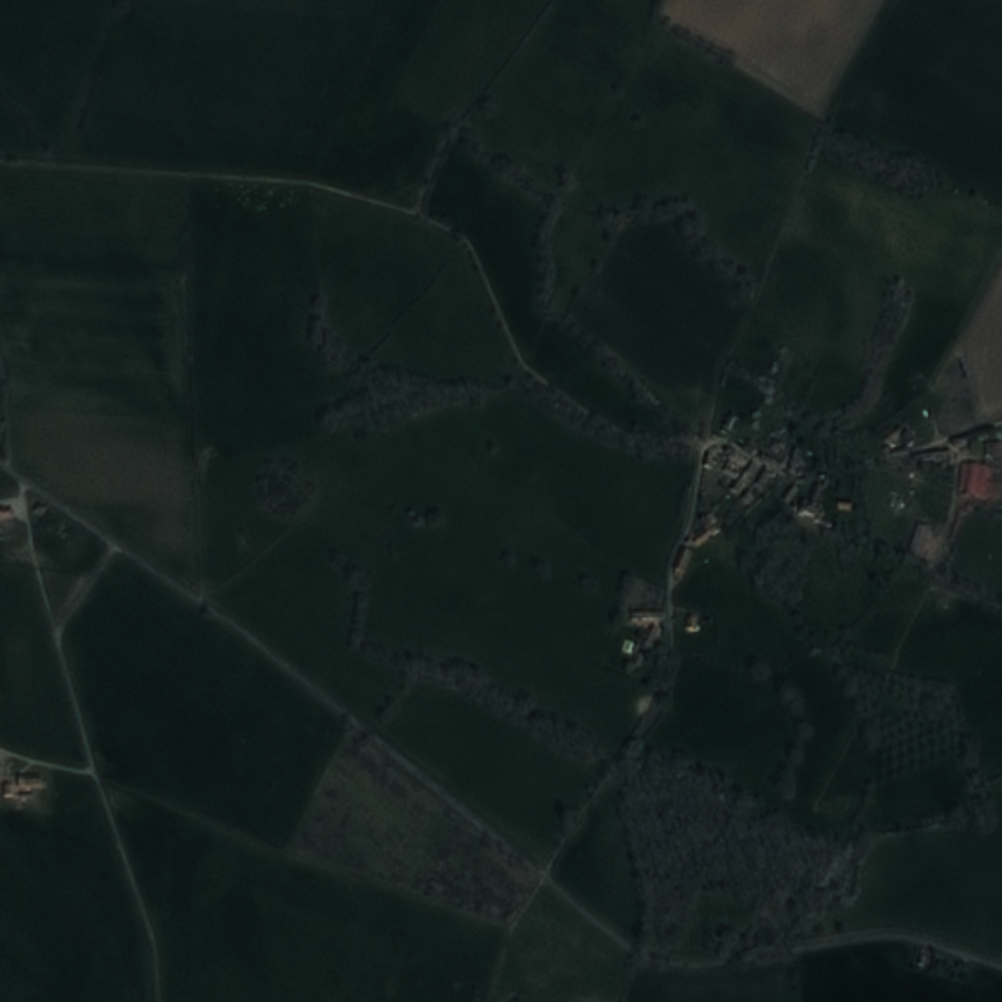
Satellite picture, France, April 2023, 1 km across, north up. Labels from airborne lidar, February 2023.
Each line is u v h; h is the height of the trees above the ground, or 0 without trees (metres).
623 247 0
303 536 0
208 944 0
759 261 0
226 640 0
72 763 0
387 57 0
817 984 0
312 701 0
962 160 0
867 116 0
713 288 0
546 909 0
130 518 0
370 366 16
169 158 0
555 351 0
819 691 0
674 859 27
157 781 0
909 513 0
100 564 0
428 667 18
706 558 0
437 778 0
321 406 0
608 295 0
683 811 21
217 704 0
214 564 0
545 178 0
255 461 0
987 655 0
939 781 0
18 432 0
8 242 0
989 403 0
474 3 0
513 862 10
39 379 0
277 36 0
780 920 0
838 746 0
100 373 0
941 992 0
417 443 0
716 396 0
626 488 0
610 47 0
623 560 0
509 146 0
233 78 0
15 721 0
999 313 0
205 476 0
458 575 0
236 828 0
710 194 0
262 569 0
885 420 0
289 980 0
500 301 0
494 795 0
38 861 0
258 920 0
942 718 11
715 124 0
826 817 0
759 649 0
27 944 0
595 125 0
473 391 15
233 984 0
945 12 0
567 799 0
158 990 0
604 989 0
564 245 0
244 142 0
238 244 0
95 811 0
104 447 0
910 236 0
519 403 0
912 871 0
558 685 0
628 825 17
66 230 0
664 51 0
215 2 0
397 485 0
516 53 0
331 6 0
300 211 0
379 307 0
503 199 0
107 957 0
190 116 0
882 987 0
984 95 0
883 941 0
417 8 0
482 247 0
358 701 0
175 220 0
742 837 21
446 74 0
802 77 0
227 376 0
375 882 0
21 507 0
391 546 7
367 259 0
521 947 0
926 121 0
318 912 0
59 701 0
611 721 0
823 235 0
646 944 19
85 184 0
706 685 0
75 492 0
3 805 0
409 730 0
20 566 0
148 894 0
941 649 0
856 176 15
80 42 0
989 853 0
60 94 0
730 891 19
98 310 0
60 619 0
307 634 0
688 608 0
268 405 0
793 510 8
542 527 0
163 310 0
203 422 0
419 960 0
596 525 0
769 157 0
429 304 0
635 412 0
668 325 0
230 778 0
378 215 0
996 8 0
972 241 0
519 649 0
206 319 0
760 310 0
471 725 0
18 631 0
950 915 0
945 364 0
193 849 0
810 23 0
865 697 9
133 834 0
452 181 0
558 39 0
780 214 0
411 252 0
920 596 0
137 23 0
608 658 0
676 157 0
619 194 0
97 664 0
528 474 0
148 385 0
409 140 0
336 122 0
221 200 0
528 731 15
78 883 0
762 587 28
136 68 0
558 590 0
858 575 0
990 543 0
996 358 0
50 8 0
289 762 0
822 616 0
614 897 0
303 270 0
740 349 0
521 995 0
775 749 0
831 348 0
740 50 0
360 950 0
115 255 0
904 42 0
